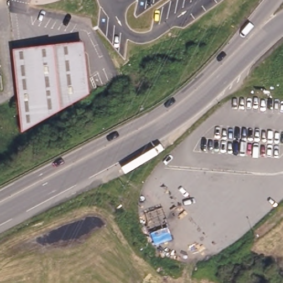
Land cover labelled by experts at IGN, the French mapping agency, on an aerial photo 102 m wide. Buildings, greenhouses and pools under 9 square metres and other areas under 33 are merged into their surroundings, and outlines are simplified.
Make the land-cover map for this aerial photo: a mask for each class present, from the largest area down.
<instances>
[{"label":"impervious surface","instance_id":"1","mask_svg":"<svg viewBox=\"0 0 283 283\"><path fill-rule=\"evenodd\" d=\"M60 0H0V104L8 102L11 106L18 102L13 50L32 46L81 42L84 46L87 85L90 91L99 85H105L104 91L96 96L107 97L119 80L132 81L128 75L118 73L105 46L97 38L96 30L105 36L122 56L126 40L147 43L158 39L171 28H186L221 0H172L165 4L161 17L155 15L154 19H151L148 29L138 30L130 27L125 15L129 4L136 0H96L98 11L94 27L90 18L81 15L33 8L36 4ZM283 38V0H261L250 14L249 20L244 19L240 23L238 31L232 35L228 43L211 53L207 61L199 67L200 72L182 86L174 97L166 99L165 105H158L153 111L118 126L117 132L99 136L76 148L62 158L55 156L54 163L45 164L0 187V233L63 199L76 195L78 191L96 188L127 174L160 154L221 98L238 91L244 78L250 74L252 66L264 63L265 57L277 48L275 43ZM141 205L138 214L141 231L147 235L148 241L156 245V256H167L177 261H199L203 258L210 259V255L226 249L251 229L272 208L277 205L283 207V101L268 98L265 103L258 98L237 97L234 101L232 99L223 104L151 172L140 193Z\"/></svg>","mask_w":283,"mask_h":283},{"label":"herbaceous vegetation","instance_id":"2","mask_svg":"<svg viewBox=\"0 0 283 283\"><path fill-rule=\"evenodd\" d=\"M33 8L81 15L90 18L94 27L98 11L96 0H60L36 4ZM172 0H136L129 4L125 15L130 27L138 30L148 29L151 19H154L155 15L161 17L165 4ZM261 0H221L186 28H171L158 39L147 43L126 40L122 56L105 36L96 30L97 38L105 46L118 73L128 75L132 81L135 94H144L153 84L146 78L140 80L138 76L141 59L148 54L174 52L182 42L188 40L202 41L206 45L191 46L189 49L191 56L182 75L184 81L165 84L156 94V103L148 107L135 108L113 126L75 145L76 148L99 136L117 132L118 126L153 111L158 105H165L166 99L174 97L182 86L200 72L199 67L207 61L211 53L228 43L232 35L238 31L240 23L244 19L249 20L250 14ZM277 48L265 57L264 63L252 66L250 74L244 78L238 91L221 98L160 154L127 174L96 188L78 191L76 195L63 199L0 233V245L14 235L29 230L35 223H50L67 212L83 207H97L114 214L115 210L120 208L138 214L141 205L140 193L151 172L223 104L232 99L234 101L237 97L258 98L265 103L268 98L283 101V38L275 43ZM105 85H99L90 91L80 101L45 118L25 132H21L18 102L11 106L8 102L0 104V164L3 161H12V156L27 148L32 136L40 134L44 126H49L57 132H65L62 123L70 120L77 109L90 112V103L96 96L104 91ZM199 261H177L176 264L182 272L184 269L188 271L192 279L216 282V274L207 268L198 270L196 263Z\"/></svg>","mask_w":283,"mask_h":283},{"label":"agricultural land","instance_id":"3","mask_svg":"<svg viewBox=\"0 0 283 283\"><path fill-rule=\"evenodd\" d=\"M255 232L252 251L266 255L262 269H268L273 263L283 269V207L277 205L272 208L251 229ZM85 217H97L104 223L102 228H95L92 234H84L80 239L60 240L49 244H41L36 240L48 235L51 230ZM161 268L154 269L141 259L132 245L126 241L114 220V214L97 207H83L67 212L50 223H35L29 230L14 235L0 245V283H216V282L192 279L188 271L184 269L182 272L177 279L169 275L160 276Z\"/></svg>","mask_w":283,"mask_h":283},{"label":"brushwood","instance_id":"4","mask_svg":"<svg viewBox=\"0 0 283 283\"><path fill-rule=\"evenodd\" d=\"M206 45L202 41L188 40L182 42L174 52L148 54L141 59L138 76L140 80L146 78L153 84L144 94H135L132 81L119 80L107 97L96 96L90 103V112L77 109L70 120L62 123L65 132H57L49 126H44L40 134L32 136L27 148L12 156V161H3L0 164V187L45 164L54 163L55 156L62 158L76 148L75 145L113 126L135 108L148 107L156 103V94L165 84L184 81L182 75L191 56L189 49L191 46ZM114 220L126 241L132 245L141 259L154 269L161 268L160 276L169 275L177 279L182 272L176 264L177 261L167 256H156V245L148 241L147 235L141 231L138 214L120 208L115 210L114 214ZM255 232L251 229L226 249L210 255V259L203 258L199 261L196 263L198 270L207 268L216 274L218 266L249 260L252 251Z\"/></svg>","mask_w":283,"mask_h":283},{"label":"building","instance_id":"5","mask_svg":"<svg viewBox=\"0 0 283 283\"><path fill-rule=\"evenodd\" d=\"M18 102L21 132H25L45 118L80 101L90 91L87 85L84 46L81 42L32 46L13 50Z\"/></svg>","mask_w":283,"mask_h":283},{"label":"deciduous trees","instance_id":"6","mask_svg":"<svg viewBox=\"0 0 283 283\"><path fill-rule=\"evenodd\" d=\"M266 255L252 251L249 260L218 266L216 274V283H283V269L273 263L268 269H262Z\"/></svg>","mask_w":283,"mask_h":283},{"label":"water","instance_id":"7","mask_svg":"<svg viewBox=\"0 0 283 283\"><path fill-rule=\"evenodd\" d=\"M104 223L97 217H85L51 230L48 235L36 240L41 244H49L60 240L80 239L84 234H92L95 228H102Z\"/></svg>","mask_w":283,"mask_h":283}]
</instances>
